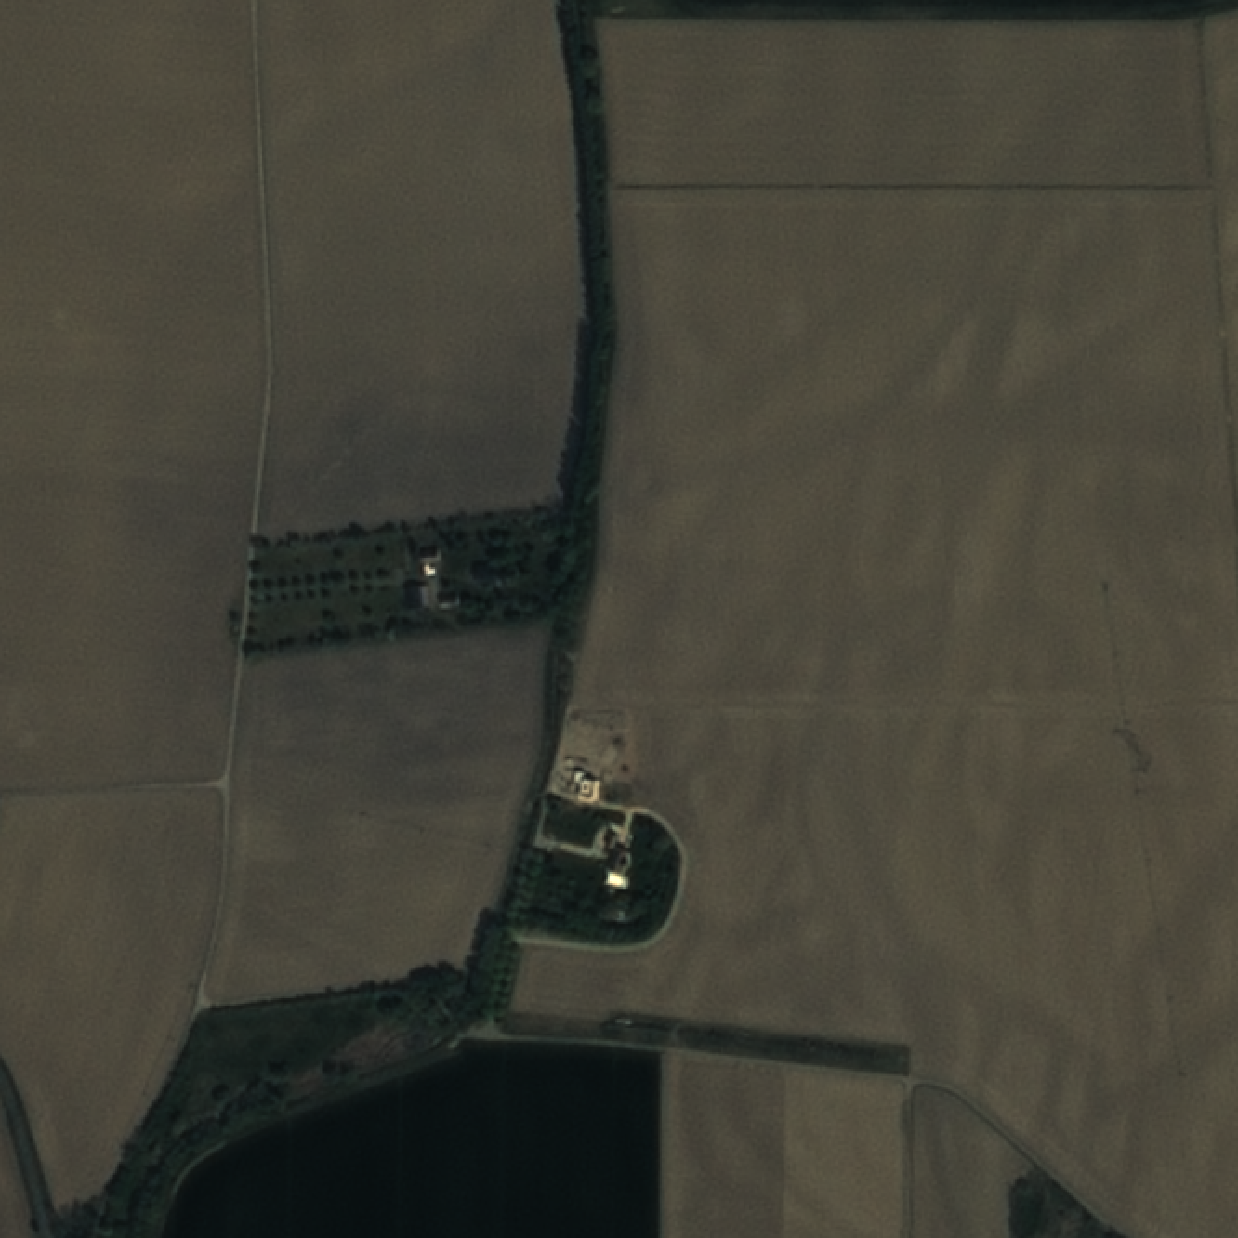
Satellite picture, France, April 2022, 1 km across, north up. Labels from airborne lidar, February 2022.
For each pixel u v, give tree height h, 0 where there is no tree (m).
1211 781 0
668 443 0
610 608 0
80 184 0
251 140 0
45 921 0
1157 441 0
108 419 0
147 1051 0
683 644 0
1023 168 0
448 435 0
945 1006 0
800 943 0
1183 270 0
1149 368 0
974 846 0
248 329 0
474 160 0
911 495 0
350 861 0
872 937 0
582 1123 0
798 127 0
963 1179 0
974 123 0
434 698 0
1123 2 0
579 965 0
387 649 0
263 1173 0
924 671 0
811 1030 0
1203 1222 0
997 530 0
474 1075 0
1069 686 0
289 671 0
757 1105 0
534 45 0
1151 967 0
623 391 0
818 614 0
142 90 0
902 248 0
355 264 0
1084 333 0
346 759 0
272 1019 0
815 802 0
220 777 0
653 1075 0
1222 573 0
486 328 0
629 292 0
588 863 0
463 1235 0
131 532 0
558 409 0
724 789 0
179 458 0
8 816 0
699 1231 0
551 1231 0
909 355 0
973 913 0
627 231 0
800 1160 0
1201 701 0
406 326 0
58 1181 0
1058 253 0
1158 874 0
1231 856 0
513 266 0
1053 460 0
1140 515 0
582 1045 0
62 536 0
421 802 0
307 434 0
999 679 0
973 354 0
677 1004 0
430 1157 0
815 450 0
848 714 0
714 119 0
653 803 0
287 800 0
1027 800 0
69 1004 0
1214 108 0
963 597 0
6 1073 0
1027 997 0
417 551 13
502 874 0
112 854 0
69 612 0
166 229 0
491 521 8
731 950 0
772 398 0
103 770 0
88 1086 0
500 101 0
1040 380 0
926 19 0
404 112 0
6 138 0
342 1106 0
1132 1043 0
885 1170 0
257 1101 14
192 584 0
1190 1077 0
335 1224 0
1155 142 0
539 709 0
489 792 0
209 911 0
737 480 0
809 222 0
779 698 0
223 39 0
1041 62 0
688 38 0
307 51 0
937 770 0
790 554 0
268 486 0
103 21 0
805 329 0
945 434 0
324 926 0
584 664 0
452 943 0
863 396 0
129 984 0
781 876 0
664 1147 0
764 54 0
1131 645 0
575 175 0
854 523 0
